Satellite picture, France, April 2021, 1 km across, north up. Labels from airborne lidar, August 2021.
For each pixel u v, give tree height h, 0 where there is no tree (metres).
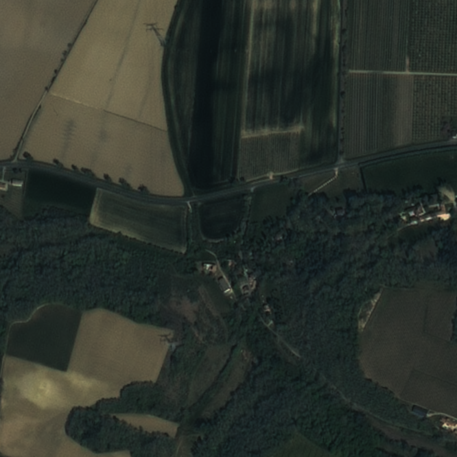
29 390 0
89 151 0
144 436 6
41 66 0
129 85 0
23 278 26
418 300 0
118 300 19
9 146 0
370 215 22
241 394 21
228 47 0
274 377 19
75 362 0
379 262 22
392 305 0
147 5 0
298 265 8
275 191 0
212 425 7
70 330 0
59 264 11
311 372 21
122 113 0
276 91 0
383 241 16
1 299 20
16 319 21
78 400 0
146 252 9
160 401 13
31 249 6
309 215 23
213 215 0
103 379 0
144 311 24
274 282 10
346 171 0
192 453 0
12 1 0
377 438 21
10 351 0
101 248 17
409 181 0
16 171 9
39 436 0
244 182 15
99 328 0
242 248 8
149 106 0
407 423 22
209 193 0
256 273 16
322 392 17
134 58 0
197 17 0
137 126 0
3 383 17
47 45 0
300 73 0
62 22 0
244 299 15
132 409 25
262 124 0
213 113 0
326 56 0
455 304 0
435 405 0
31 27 0
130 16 0
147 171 0
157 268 6
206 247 13
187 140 0
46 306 0
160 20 0
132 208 0
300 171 0
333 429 21
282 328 18
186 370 13
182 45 0
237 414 22
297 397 21
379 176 0
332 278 11
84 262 14
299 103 0
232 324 9
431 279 16
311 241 14
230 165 0
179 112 0
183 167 0
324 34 0
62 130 0
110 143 0
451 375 0
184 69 0
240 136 0
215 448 19
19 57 0
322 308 19
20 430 0
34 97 0
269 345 15
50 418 0
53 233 15
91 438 25
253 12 0
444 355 0
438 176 0
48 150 0
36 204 0
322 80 0
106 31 0
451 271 22
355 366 21
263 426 22
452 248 23
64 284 17
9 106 0
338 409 22
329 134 0
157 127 0
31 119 0
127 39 0
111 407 21
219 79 0
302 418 14
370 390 21
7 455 0
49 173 0
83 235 10
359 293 22
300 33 0
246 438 21
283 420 21
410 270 21
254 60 0
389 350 0
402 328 0
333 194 0
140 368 0
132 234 0
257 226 7
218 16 0
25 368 0
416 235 0
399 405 17
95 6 0
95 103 0
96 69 0
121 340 0
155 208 0
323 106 0
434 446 0
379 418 21
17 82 0
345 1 0
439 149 7
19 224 15
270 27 0
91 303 19
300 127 0
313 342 9
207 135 0
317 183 0
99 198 0
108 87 0
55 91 0
